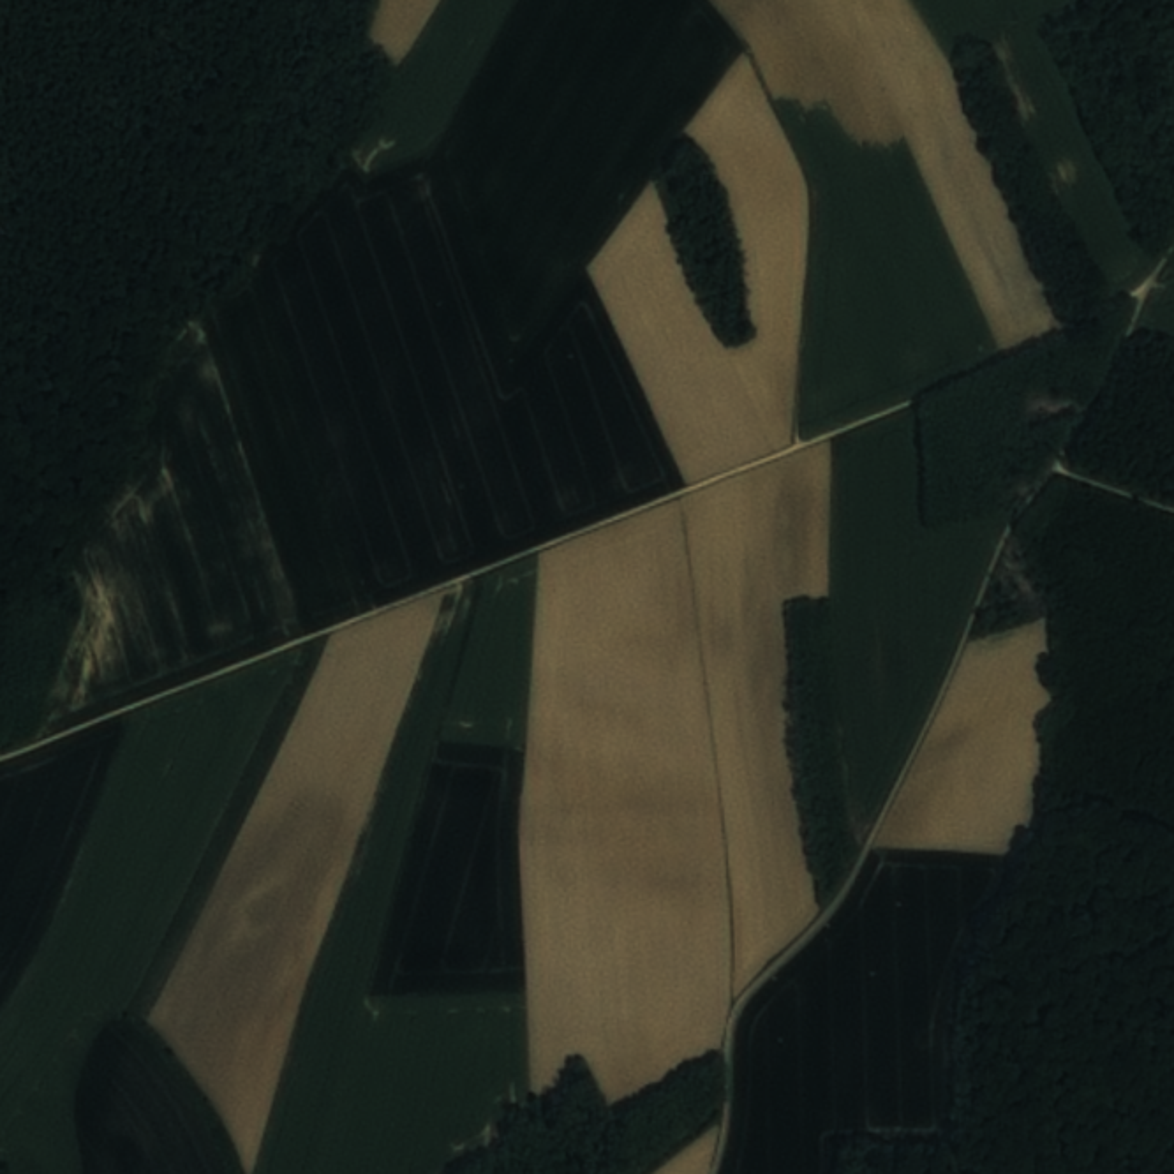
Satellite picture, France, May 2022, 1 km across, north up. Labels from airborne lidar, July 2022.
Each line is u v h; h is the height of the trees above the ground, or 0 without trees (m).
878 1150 23
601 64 0
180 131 25
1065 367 18
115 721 0
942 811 0
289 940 0
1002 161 19
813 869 14
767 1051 0
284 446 0
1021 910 22
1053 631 12
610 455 0
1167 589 6
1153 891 29
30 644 19
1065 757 8
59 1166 0
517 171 0
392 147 0
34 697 19
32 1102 0
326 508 0
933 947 0
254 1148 0
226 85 28
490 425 0
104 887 0
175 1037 0
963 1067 24
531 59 0
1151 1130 34
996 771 0
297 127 26
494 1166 18
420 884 0
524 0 0
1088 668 14
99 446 34
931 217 0
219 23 23
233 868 0
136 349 34
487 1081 0
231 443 0
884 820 0
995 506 21
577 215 0
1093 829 26
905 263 0
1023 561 15
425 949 0
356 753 0
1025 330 0
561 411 0
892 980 0
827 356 0
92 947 0
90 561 0
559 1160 23
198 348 0
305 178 22
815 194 0
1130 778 12
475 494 0
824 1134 0
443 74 0
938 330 0
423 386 0
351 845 0
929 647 0
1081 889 32
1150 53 24
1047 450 17
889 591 0
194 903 0
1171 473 23
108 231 24
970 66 16
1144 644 11
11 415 30
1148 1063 31
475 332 0
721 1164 0
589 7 0
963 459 24
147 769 0
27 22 22
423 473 0
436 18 0
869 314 0
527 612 0
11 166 22
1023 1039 34
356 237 0
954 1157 29
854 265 0
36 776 0
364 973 0
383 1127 0
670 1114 21
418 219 0
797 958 0
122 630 0
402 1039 0
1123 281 0
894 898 0
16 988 0
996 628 6
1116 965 32
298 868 0
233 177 19
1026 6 0
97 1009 0
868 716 0
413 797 0
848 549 0
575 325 0
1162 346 17
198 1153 0
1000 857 0
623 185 0
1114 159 27
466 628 0
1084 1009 30
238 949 0
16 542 32
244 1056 0
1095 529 6
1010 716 0
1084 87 22
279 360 0
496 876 0
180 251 25
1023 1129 30
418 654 0
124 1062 0
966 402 21
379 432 0
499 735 0
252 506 0
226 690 0
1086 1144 29
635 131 0
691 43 0
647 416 0
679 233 16
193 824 0
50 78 20
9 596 31
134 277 25
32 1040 0
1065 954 32
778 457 0
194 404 0
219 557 0
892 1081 0
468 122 0
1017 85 0
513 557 0
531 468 0
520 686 0
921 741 0
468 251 0
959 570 0
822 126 0
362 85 24
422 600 0
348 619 0
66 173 22
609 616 0
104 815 0
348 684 0
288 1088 0
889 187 0
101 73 22
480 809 0
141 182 22
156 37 23
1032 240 23
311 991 0
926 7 0
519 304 0
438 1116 0
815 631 12
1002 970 31
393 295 0
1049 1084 32
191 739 0
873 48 0
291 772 0
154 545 0
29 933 0
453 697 0
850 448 0
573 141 0
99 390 34
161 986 0
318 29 31
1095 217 0
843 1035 0
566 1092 18
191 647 0
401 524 0
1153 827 30
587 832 0
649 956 0
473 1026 0
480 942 0
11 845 0
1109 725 8
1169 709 16
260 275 0
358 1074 0
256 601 0
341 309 0
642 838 0
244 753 0
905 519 0
